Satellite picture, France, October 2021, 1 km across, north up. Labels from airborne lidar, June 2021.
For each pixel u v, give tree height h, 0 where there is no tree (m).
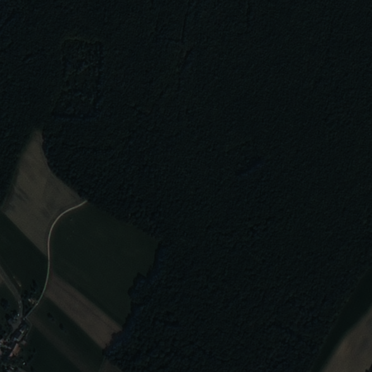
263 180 25
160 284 21
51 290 0
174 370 19
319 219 23
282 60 23
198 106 24
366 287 0
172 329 25
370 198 25
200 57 22
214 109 24
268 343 25
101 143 23
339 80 23
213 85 23
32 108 23
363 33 24
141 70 22
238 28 24
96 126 22
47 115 20
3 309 12
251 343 23
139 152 23
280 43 25
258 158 10
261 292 24
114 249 0
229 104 22
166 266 22
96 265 0
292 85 24
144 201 25
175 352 8
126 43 18
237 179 23
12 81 22
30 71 19
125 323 0
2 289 0
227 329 25
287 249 23
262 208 29
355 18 23
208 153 27
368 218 25
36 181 0
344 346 0
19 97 25
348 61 22
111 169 23
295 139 25
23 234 0
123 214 22
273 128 25
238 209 28
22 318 0
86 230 0
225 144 23
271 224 28
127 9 25
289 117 25
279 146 25
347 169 24
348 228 25
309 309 10
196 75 24
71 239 0
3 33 18
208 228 23
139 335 19
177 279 20
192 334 22
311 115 25
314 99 22
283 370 23
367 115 25
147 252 0
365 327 0
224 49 22
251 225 25
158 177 25
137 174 24
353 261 24
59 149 20
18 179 0
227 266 24
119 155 20
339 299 22
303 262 21
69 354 0
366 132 25
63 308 0
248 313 23
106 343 0
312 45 22
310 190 22
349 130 28
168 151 23
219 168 24
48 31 22
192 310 26
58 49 19
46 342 0
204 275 22
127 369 16
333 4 25
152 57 23
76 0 23
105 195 24
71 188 11
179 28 12
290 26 24
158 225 24
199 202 26
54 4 24
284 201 28
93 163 23
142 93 26
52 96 21
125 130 24
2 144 26
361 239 23
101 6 24
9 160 24
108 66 19
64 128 22
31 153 0
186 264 24
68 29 21
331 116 27
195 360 25
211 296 24
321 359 0
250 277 22
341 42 23
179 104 21
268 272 27
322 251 24
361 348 0
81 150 19
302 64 24
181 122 24
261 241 25
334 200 22
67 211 0
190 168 23
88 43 6
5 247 0
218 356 24
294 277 21
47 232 0
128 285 0
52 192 0
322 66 21
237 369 24
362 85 25
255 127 25
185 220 28
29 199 0
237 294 23
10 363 10
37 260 0
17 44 22
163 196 26
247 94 26
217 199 25
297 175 25
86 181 23
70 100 8
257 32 23
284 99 26
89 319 0
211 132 23
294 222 26
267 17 24
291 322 19
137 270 0
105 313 0
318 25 23
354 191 25
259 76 24
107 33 20
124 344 21
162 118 20
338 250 25
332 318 20
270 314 22
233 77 24
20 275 0
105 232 0
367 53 22
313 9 23
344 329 0
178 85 19
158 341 20
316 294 24
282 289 24
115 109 23
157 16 16
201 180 23
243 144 14
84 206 0
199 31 18
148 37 23
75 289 0
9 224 0
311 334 24
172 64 21
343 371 0
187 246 24
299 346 22
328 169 24
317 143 25
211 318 24
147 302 20
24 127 24
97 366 0
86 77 8
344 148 26
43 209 0
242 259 24
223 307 21
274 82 25
